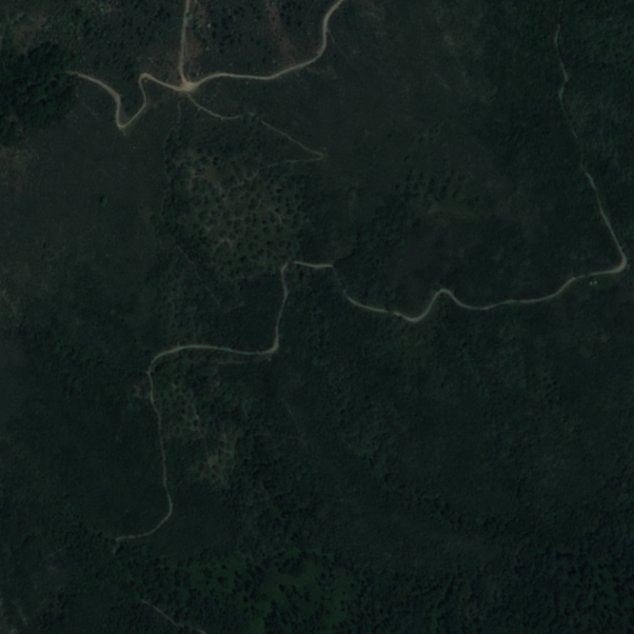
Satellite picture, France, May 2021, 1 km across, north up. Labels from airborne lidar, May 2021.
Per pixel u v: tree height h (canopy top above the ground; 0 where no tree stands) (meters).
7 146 15
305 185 7
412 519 9
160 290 10
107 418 9
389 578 20
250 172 14
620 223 12
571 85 8
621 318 6
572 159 10
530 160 6
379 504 9
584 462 11
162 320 13
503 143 7
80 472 7
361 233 12
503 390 10
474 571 26
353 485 14
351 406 12
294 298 13
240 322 10
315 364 19
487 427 14
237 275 12
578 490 8
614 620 17
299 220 18
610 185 15
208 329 8
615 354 7
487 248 6
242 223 19
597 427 7
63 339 7
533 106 14
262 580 22
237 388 10
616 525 23
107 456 7
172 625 19
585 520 20
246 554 21
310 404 9
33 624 8
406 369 6
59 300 6
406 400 6
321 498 10
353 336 7
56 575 6
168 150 12
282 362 6
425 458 6
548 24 6
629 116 12
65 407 7
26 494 6
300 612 23
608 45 16
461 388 11
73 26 8
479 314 8
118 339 10
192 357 15
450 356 10
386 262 8
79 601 7
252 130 12
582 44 15
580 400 8
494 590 26
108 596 6
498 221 6
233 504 13
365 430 14
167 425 10
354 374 11
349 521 6
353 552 12
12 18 13
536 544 25
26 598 8
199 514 9
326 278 18
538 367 6
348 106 0
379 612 20
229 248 23
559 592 16
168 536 9
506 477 9
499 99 6
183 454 10
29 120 18
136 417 7
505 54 10
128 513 8
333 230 6
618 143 15
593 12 11
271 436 9
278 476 23
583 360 7
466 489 7
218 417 15
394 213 7
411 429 9
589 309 6
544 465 9
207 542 9
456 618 22
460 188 12
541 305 6
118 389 18
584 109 19
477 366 11
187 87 0
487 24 10
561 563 20
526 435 10
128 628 11
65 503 9
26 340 9
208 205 20
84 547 16
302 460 8
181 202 12
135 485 8
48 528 10
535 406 7
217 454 12
